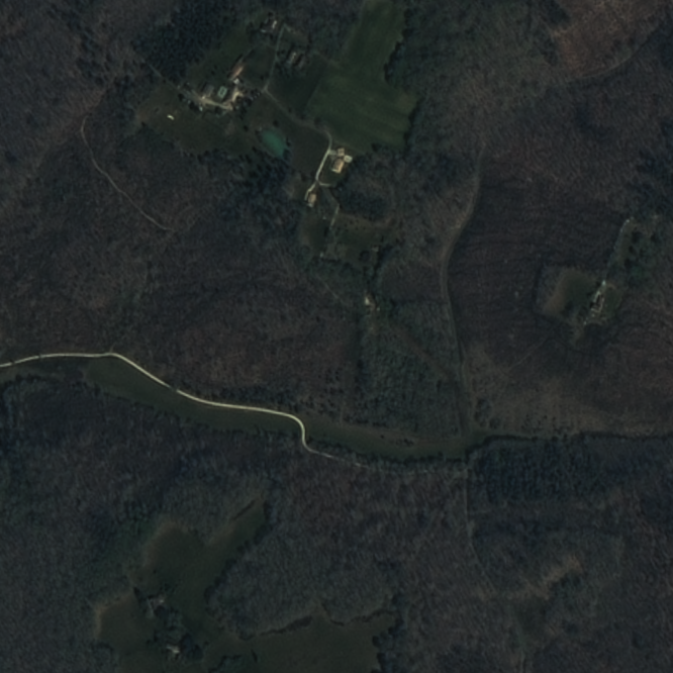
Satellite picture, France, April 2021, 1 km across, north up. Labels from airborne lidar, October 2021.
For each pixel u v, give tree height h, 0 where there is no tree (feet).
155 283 76
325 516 19
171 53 60
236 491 70
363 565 81
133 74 52
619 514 62
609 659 32
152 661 0
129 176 27
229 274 52
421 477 52
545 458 56
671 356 21
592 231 22
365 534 65
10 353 26
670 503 42
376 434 0
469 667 50
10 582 71
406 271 40
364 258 31
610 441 55
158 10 48
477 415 22
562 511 40
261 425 0
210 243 23
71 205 21
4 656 70
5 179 68
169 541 0
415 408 64
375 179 87
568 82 44
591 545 66
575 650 30
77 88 41
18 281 39
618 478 42
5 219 20
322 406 28
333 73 0
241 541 0
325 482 26
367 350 53
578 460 67
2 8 47
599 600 40
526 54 61
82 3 41
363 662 0
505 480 60
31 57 55
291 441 60
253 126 0
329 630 0
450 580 51
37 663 75
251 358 21
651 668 39
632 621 42
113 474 35
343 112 0
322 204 71
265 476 93
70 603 82
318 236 0
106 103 24
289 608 72
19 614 80
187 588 0
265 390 44
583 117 30
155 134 20
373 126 0
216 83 0
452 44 79
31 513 55
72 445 27
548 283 67
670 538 39
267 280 27
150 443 70
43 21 49
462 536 55
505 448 69
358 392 40
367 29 0
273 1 33
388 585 80
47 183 28
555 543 57
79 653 90
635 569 38
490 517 34
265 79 35
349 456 64
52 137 37
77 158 26
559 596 68
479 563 54
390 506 76
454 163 74
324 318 35
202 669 0
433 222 72
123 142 18
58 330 23
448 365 73
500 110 62
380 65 0
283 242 71
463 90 75
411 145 73
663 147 55
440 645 47
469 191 56
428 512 43
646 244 75
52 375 0
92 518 65
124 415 26
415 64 51
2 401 40
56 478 54
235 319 28
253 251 44
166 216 75
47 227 17
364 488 32
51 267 26
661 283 47
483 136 86
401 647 82
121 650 0
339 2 49
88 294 46
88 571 71
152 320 20
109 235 33
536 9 80
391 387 37
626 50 63
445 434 73
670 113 24
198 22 63
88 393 24
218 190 61
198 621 0
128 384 0
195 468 78
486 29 75
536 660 34
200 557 0
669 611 37
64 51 48
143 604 43
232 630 63
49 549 83
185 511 88
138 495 30
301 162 0
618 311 21
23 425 22
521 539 53
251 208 68
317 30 58
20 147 59
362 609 69
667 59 55
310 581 78
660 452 53
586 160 28
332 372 33
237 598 45
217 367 50
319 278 67
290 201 64
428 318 87
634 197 64
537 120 42
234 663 28
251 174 0
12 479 59
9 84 54
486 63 65
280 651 0
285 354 20
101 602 73
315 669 0
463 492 65
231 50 0
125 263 45
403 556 66
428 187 50
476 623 47
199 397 47
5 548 85
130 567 58
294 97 0
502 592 61
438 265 28
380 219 70
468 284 19
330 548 27
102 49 39
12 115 55
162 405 0
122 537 74
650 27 56
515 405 0
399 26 0
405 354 65
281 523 76
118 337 54
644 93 25
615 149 25
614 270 43
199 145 0
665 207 76
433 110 72
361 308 46
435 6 54
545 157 22
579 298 0
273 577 89
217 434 27
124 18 22
